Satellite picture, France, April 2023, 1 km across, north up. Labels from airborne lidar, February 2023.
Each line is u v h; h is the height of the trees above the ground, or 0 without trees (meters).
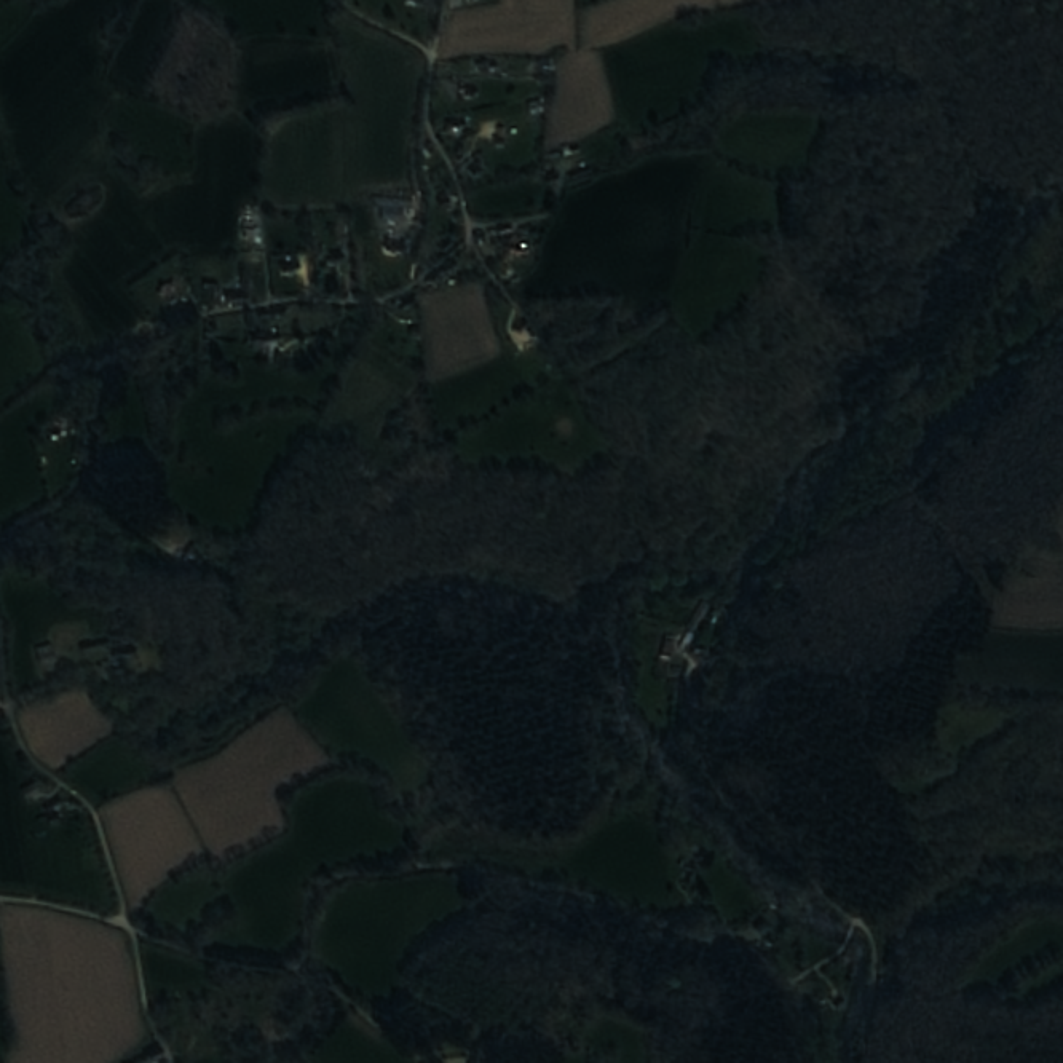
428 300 0
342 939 0
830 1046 11
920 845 18
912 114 25
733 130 0
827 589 17
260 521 22
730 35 0
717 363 17
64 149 0
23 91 0
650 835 0
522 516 20
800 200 22
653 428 20
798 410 18
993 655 0
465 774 23
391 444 15
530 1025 21
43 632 0
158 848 0
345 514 18
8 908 0
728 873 0
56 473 0
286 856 0
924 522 21
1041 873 10
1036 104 19
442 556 22
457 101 0
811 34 26
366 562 20
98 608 13
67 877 0
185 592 20
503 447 0
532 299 13
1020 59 18
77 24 0
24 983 0
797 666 19
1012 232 19
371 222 0
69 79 0
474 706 30
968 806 14
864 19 24
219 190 0
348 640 25
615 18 0
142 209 0
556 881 14
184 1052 0
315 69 0
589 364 12
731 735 22
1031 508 20
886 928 16
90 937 0
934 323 30
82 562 11
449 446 13
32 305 13
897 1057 20
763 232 15
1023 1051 18
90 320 0
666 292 0
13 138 0
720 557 20
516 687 27
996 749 11
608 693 12
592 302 16
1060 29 19
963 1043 14
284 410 13
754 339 13
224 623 23
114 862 0
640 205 0
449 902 0
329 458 21
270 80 0
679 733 22
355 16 8
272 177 0
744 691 21
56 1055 0
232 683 13
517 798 23
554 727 29
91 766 0
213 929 17
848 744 27
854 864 20
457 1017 16
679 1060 20
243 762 0
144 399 19
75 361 5
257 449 0
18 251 10
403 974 12
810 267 25
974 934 25
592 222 0
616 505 18
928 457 27
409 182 6
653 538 24
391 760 0
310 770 0
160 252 0
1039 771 11
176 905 0
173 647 18
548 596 16
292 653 8
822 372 22
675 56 0
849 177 28
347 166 0
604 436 16
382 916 0
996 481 25
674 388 15
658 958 25
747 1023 21
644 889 0
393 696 20
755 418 20
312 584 22
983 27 18
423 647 22
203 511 0
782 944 6
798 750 34
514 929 22
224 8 0
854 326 23
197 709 7
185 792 0
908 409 11
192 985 0
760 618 21
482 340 0
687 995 22
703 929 22
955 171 25
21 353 0
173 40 14
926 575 21
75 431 14
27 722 0
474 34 0
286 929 0
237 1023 0
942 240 23
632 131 0
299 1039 18
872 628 16
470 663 29
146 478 29
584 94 0
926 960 23
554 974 22
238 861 15
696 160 0
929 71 21
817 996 7
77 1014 0
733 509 17
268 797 0
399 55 0
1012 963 0
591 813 25
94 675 9
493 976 22
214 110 18
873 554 20
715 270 0
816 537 25
